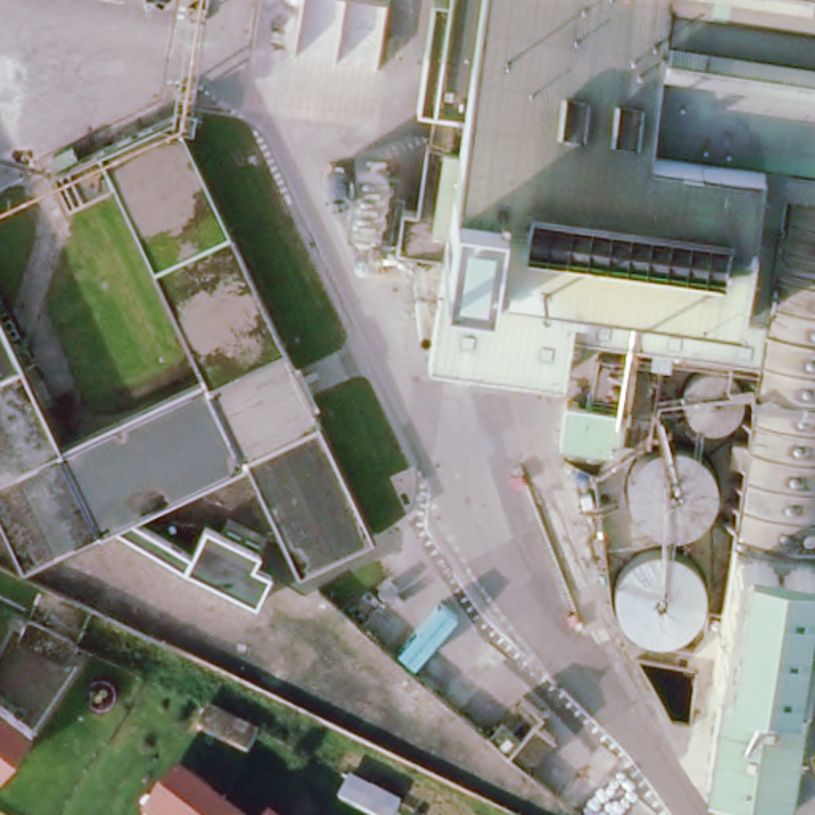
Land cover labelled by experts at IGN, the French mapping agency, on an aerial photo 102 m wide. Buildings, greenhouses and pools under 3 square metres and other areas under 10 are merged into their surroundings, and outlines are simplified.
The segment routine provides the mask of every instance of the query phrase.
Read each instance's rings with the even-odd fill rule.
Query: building
[[[417,267],[439,271],[427,372],[433,379],[468,376],[487,382],[490,388],[541,388],[551,395],[551,408],[560,414],[557,443],[563,452],[579,458],[579,493],[592,500],[595,522],[586,535],[589,557],[605,576],[608,560],[599,506],[611,506],[614,497],[608,490],[608,474],[599,462],[614,462],[624,449],[624,420],[634,395],[634,372],[694,369],[697,382],[684,392],[681,401],[684,417],[697,436],[716,439],[732,433],[739,427],[742,408],[751,408],[755,414],[748,446],[739,446],[732,452],[735,471],[742,474],[739,509],[719,500],[713,474],[688,455],[669,452],[646,462],[637,471],[630,484],[627,541],[634,551],[659,544],[659,557],[630,567],[621,586],[608,579],[608,595],[618,602],[618,618],[592,618],[608,634],[608,640],[602,643],[611,656],[608,669],[621,678],[624,688],[630,688],[640,697],[643,713],[649,716],[662,742],[681,758],[688,780],[704,796],[713,815],[793,815],[802,777],[802,751],[815,713],[815,0],[439,0],[423,115],[417,121],[430,124],[430,137],[420,156],[417,210],[401,213],[398,245],[392,248],[392,255],[401,255]],[[570,360],[589,360],[602,366],[621,360],[614,414],[605,417],[576,411],[576,388],[570,388]],[[688,665],[684,659],[675,659],[672,649],[684,646],[707,621],[707,589],[694,570],[675,560],[675,548],[704,538],[716,513],[735,519],[726,605],[716,637],[707,646],[700,646],[697,659]]]
[[[337,465],[337,455],[328,436],[322,433],[318,408],[312,398],[302,388],[299,369],[290,360],[280,360],[280,331],[261,306],[248,264],[239,245],[232,242],[229,229],[223,226],[216,197],[210,194],[188,150],[188,140],[197,127],[191,124],[191,108],[175,105],[172,118],[159,131],[143,131],[140,140],[121,140],[111,150],[99,150],[89,159],[73,159],[70,166],[57,169],[54,188],[60,201],[83,207],[99,197],[118,204],[134,236],[140,261],[150,264],[146,277],[162,293],[162,306],[181,344],[178,360],[194,376],[194,388],[185,388],[175,398],[166,398],[92,436],[70,449],[57,446],[54,430],[35,398],[29,376],[22,372],[16,347],[3,325],[0,322],[0,567],[16,573],[19,583],[32,583],[38,573],[57,567],[51,554],[86,548],[115,532],[175,570],[191,570],[201,583],[245,605],[267,605],[267,595],[277,589],[277,583],[264,573],[261,557],[255,551],[216,532],[201,532],[191,551],[181,551],[172,541],[150,532],[150,522],[166,519],[175,509],[191,506],[197,500],[207,500],[232,484],[245,484],[245,493],[264,516],[283,554],[290,583],[299,579],[306,570],[315,570],[334,557],[357,551],[376,532],[369,532],[363,509]]]
[[[293,70],[302,70],[309,76],[325,73],[334,80],[372,80],[379,73],[379,51],[388,10],[369,0],[287,0],[290,10],[283,25],[283,48],[277,54]]]
[[[252,723],[223,713],[213,704],[204,704],[191,716],[194,735],[210,735],[236,751],[252,748]]]
[[[188,767],[175,764],[162,777],[162,783],[140,796],[140,815],[245,815],[201,777],[194,777]]]
[[[29,723],[22,723],[13,710],[0,704],[0,786],[16,774],[13,767],[25,758],[25,751],[35,748],[35,732]]]
[[[509,710],[500,704],[490,713],[497,735],[490,742],[513,739],[513,755],[532,764],[548,758],[551,751],[560,758],[567,739],[551,735],[544,729],[544,710],[532,704],[528,694],[522,694]]]
[[[439,640],[452,630],[455,614],[446,611],[443,602],[436,611],[427,611],[427,618],[414,627],[411,643],[401,653],[404,665],[420,669],[436,653]]]
[[[360,777],[344,777],[337,793],[341,802],[363,815],[398,815],[398,799],[392,793]]]

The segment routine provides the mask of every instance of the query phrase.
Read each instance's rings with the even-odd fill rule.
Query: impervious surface
[[[576,388],[576,411],[605,417],[614,414],[621,360],[602,366],[589,360],[570,360],[570,388]]]
[[[802,751],[802,777],[793,815],[815,815],[815,713]]]
[[[716,637],[726,605],[735,519],[716,513],[704,538],[675,548],[675,560],[694,570],[707,589],[707,621],[684,646],[672,649],[675,659],[684,659],[688,665],[697,659],[700,646],[707,646]]]
[[[334,80],[325,73],[309,76],[302,70],[293,70],[277,54],[283,48],[283,25],[290,10],[287,0],[0,0],[0,191],[25,188],[38,201],[38,210],[45,216],[38,223],[29,271],[22,277],[22,296],[16,299],[19,315],[3,325],[16,347],[22,372],[29,376],[35,398],[54,430],[57,446],[70,449],[92,436],[80,423],[80,414],[86,411],[89,398],[76,385],[73,357],[57,347],[57,331],[51,328],[45,312],[51,277],[67,264],[64,239],[70,236],[73,216],[83,207],[60,201],[54,188],[57,169],[70,166],[73,159],[89,159],[99,150],[111,150],[121,140],[140,140],[143,131],[159,131],[172,118],[175,105],[191,108],[191,124],[197,127],[204,115],[226,115],[252,127],[252,137],[264,153],[264,166],[274,178],[274,188],[287,213],[293,216],[302,248],[337,312],[337,322],[344,328],[344,347],[299,369],[302,388],[312,398],[350,379],[366,379],[379,398],[379,408],[404,455],[404,471],[392,478],[404,516],[385,532],[376,532],[357,551],[334,557],[315,570],[306,570],[299,579],[290,583],[283,554],[264,516],[245,493],[245,484],[232,484],[207,500],[197,500],[191,506],[175,509],[166,519],[150,522],[150,532],[172,541],[181,551],[191,551],[201,532],[216,532],[255,551],[261,557],[264,573],[277,583],[277,589],[267,595],[267,605],[245,605],[201,583],[191,570],[175,570],[115,532],[86,548],[51,554],[57,567],[38,573],[32,583],[64,599],[86,602],[99,614],[121,621],[140,630],[143,637],[153,637],[181,653],[201,656],[239,678],[248,678],[258,688],[315,716],[325,716],[334,726],[360,739],[369,739],[452,783],[462,783],[465,790],[516,815],[713,815],[704,796],[688,780],[681,758],[662,742],[649,716],[643,713],[640,697],[630,688],[624,688],[621,678],[608,669],[611,656],[602,643],[608,640],[608,634],[592,618],[618,618],[618,602],[608,595],[608,579],[621,586],[630,567],[659,557],[659,544],[634,551],[627,541],[630,484],[637,471],[646,462],[669,452],[688,455],[713,474],[719,500],[739,509],[742,474],[735,471],[732,452],[739,446],[748,446],[755,414],[751,408],[742,408],[739,427],[732,433],[716,439],[697,436],[684,417],[681,401],[684,392],[697,382],[694,369],[634,372],[634,395],[624,420],[624,449],[614,462],[599,462],[608,474],[608,490],[614,497],[611,506],[599,506],[608,560],[605,576],[589,557],[586,535],[595,522],[592,500],[579,493],[579,458],[563,452],[557,443],[560,414],[551,408],[551,395],[541,388],[490,388],[487,382],[468,376],[433,379],[427,372],[439,271],[417,267],[401,255],[392,255],[392,248],[398,245],[401,213],[417,210],[420,156],[430,137],[430,124],[417,121],[423,115],[439,0],[369,0],[388,10],[379,51],[379,73],[372,80]],[[401,653],[411,643],[414,627],[427,618],[427,611],[436,611],[443,602],[446,611],[455,614],[452,630],[439,640],[436,653],[420,669],[404,665]],[[513,739],[490,742],[497,735],[490,713],[500,704],[509,710],[522,694],[528,694],[532,704],[544,710],[544,729],[551,735],[567,739],[560,758],[551,751],[548,758],[532,764],[513,755]]]

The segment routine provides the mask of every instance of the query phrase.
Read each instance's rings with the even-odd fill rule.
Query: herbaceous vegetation
[[[334,726],[325,716],[315,716],[258,688],[248,678],[239,678],[201,656],[181,653],[153,637],[143,637],[140,630],[121,621],[99,614],[86,602],[64,599],[32,583],[19,583],[16,573],[0,567],[0,704],[13,710],[22,723],[29,723],[35,732],[35,748],[25,751],[25,758],[13,767],[16,774],[0,786],[0,815],[140,815],[140,796],[162,783],[162,777],[175,764],[188,767],[194,777],[201,777],[245,815],[363,815],[341,802],[337,793],[344,777],[360,777],[392,793],[398,799],[398,815],[516,815],[465,790],[462,783],[452,783],[369,739],[360,739]],[[210,735],[194,735],[191,716],[204,704],[213,704],[223,713],[252,723],[252,748],[236,751]]]
[[[22,277],[29,271],[38,223],[45,216],[38,210],[38,201],[25,188],[0,191],[0,322],[3,325],[19,315],[16,299],[22,296]]]
[[[89,398],[86,411],[80,414],[80,423],[92,436],[166,398],[175,398],[185,388],[194,388],[194,376],[178,360],[181,344],[162,306],[162,293],[146,277],[150,264],[140,261],[134,236],[118,204],[99,197],[83,207],[73,216],[70,236],[64,239],[67,264],[51,277],[45,312],[51,328],[57,331],[57,347],[73,357],[76,385]]]
[[[312,398],[318,408],[322,433],[328,436],[337,455],[337,465],[363,509],[369,532],[376,532],[385,532],[404,516],[392,478],[404,471],[404,455],[379,408],[379,398],[366,379],[350,379]]]
[[[264,153],[252,137],[252,127],[226,115],[204,115],[197,127],[188,140],[188,150],[210,194],[216,197],[223,226],[229,229],[232,242],[239,245],[248,264],[261,306],[280,331],[280,360],[290,360],[299,369],[344,347],[344,328],[337,322],[337,312],[302,248],[293,216],[287,213],[274,188],[274,178],[264,166]]]

